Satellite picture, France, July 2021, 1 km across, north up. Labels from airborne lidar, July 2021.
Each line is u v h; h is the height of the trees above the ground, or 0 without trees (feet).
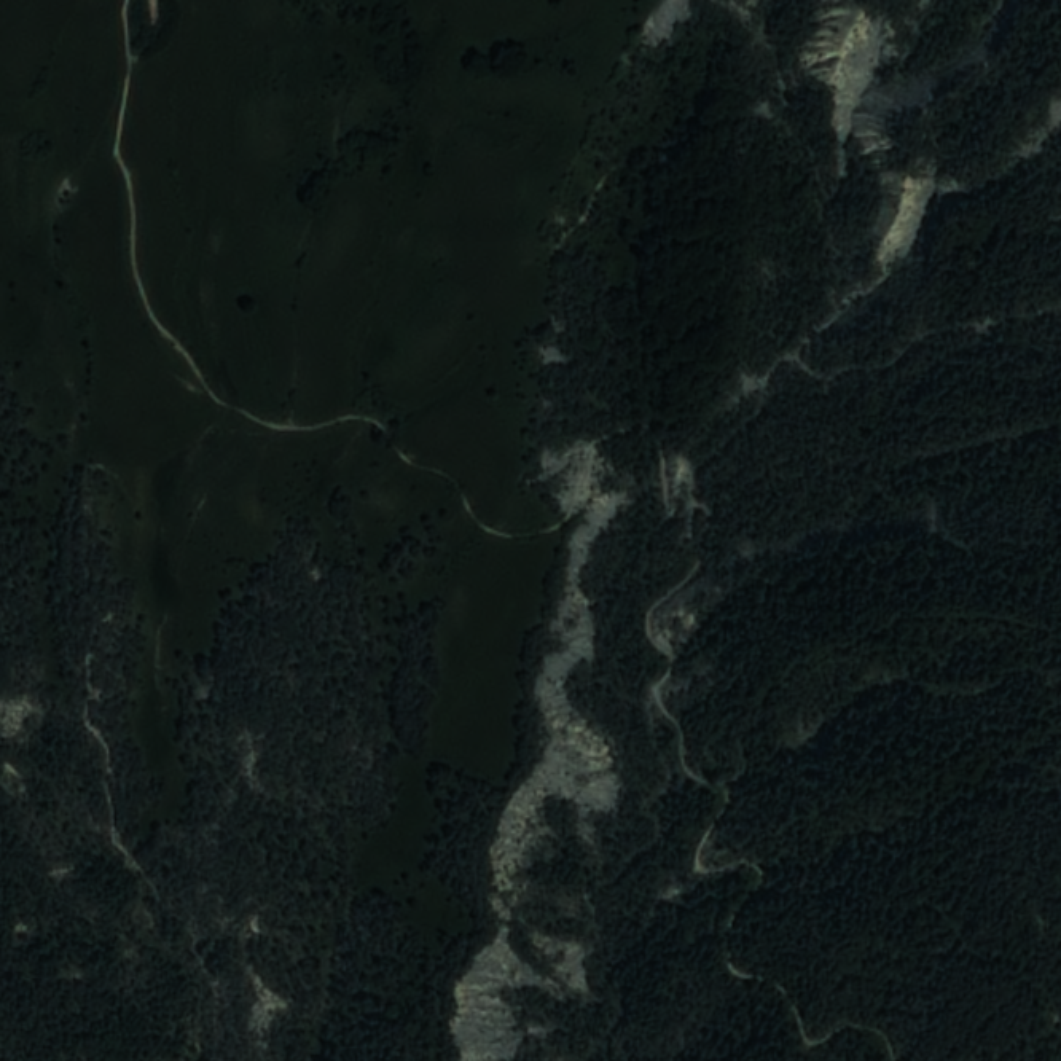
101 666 30
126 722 31
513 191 0
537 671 24
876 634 63
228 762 35
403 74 24
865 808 23
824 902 21
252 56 0
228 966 35
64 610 52
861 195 35
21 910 41
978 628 23
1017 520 20
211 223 0
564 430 34
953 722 41
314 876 67
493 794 38
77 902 23
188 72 0
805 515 32
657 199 85
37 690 19
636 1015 54
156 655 0
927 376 42
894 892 52
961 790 67
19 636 44
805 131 38
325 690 26
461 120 0
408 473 0
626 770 25
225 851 19
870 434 61
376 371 0
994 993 60
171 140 0
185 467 0
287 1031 28
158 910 31
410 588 0
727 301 53
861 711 71
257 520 0
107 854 32
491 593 0
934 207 36
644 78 23
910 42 28
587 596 46
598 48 0
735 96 58
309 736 27
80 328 20
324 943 29
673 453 20
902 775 25
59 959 44
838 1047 53
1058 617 36
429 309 0
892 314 45
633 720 32
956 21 36
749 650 43
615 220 20
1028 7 59
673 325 67
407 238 0
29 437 39
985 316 41
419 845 0
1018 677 44
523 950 28
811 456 47
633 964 70
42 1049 42
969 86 37
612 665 47
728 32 45
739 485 45
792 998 34
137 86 0
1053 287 28
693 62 29
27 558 48
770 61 24
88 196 0
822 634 54
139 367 0
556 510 26
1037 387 32
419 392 0
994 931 48
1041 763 58
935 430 46
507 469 0
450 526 0
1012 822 17
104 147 0
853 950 31
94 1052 36
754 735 57
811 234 61
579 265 63
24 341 0
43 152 32
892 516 25
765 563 30
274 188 0
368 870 0
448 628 0
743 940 32
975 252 37
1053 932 28
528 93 0
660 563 57
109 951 59
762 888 24
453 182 0
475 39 0
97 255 0
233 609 39
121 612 24
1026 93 23
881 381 44
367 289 0
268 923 31
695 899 58
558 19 0
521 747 40
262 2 0
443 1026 21
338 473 0
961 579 89
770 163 54
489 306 0
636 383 62
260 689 44
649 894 30
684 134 47
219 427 0
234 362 0
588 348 46
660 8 0
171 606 0
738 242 38
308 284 0
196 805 36
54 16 0
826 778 65
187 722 46
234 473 0
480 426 0
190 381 0
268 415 0
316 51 0
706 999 31
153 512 0
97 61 0
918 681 44
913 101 0
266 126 0
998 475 59
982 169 36
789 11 55
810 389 45
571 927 42
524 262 0
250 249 0
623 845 45
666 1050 34
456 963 39
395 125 21
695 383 31
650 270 78
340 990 41
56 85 0
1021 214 45
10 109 0
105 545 24
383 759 45
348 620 42
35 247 0
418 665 43
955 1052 47
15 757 22
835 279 39
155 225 0
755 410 26
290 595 38
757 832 29
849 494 33
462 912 20
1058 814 37
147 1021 45
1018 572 81
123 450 0
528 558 0
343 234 0
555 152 0
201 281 0
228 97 0
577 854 43
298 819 41
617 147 27
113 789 35
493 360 0
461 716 0
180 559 0
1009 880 43
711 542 41
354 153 53
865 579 118
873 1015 62
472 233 0
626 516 22
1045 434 25
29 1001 54
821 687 33
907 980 50
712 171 69
